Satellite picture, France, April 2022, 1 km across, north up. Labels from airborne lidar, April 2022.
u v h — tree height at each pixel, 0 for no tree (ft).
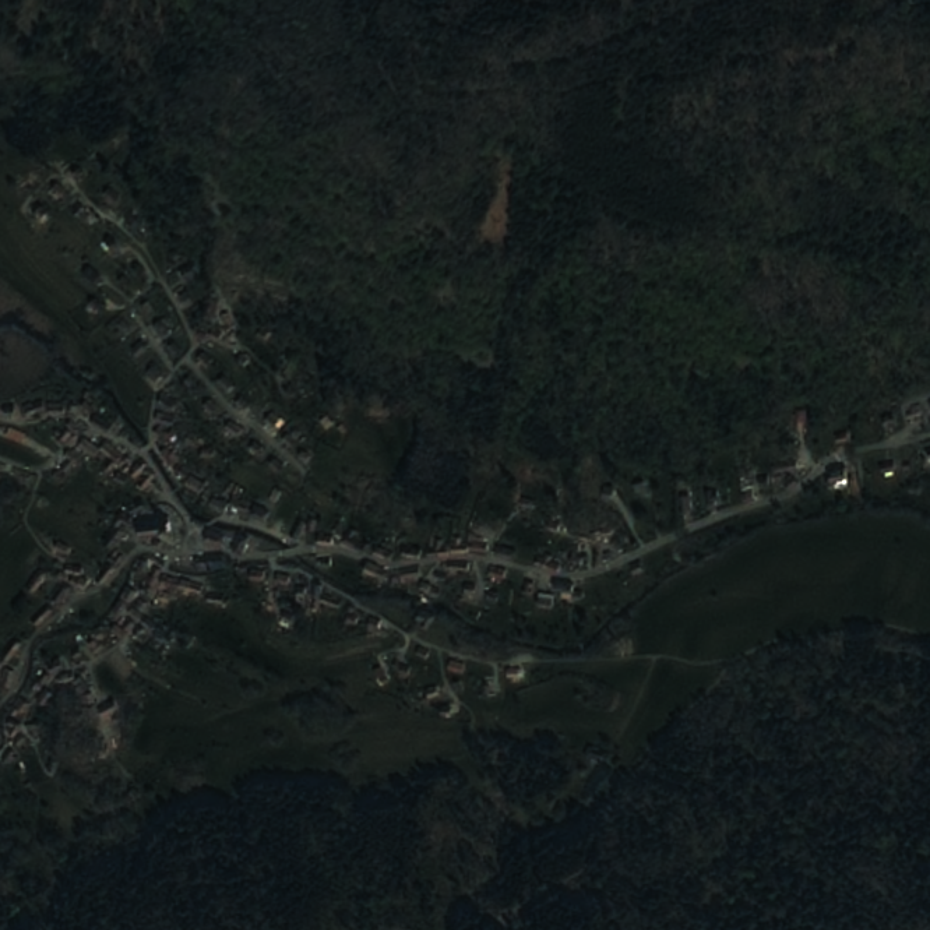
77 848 24
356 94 73
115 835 77
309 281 67
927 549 0
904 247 97
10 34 50
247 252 61
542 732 0
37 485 0
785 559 0
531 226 88
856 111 44
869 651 70
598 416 73
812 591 0
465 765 0
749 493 0
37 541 0
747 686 60
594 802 0
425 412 66
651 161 66
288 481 0
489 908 81
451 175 68
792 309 77
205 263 33
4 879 68
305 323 57
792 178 63
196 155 60
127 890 91
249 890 99
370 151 71
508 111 59
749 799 86
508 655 0
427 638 0
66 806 0
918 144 74
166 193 54
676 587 0
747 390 59
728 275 71
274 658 0
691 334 54
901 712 47
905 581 0
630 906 65
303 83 89
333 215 47
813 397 51
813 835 75
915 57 71
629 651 0
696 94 34
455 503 73
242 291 0
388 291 56
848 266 86
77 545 0
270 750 0
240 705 0
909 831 55
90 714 0
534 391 59
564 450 75
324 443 0
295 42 56
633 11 67
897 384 41
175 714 0
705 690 0
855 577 0
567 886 0
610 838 92
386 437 0
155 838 82
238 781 0
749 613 0
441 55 61
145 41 77
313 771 0
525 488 0
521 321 59
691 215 66
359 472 0
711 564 0
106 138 82
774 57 82
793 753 75
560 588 0
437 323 60
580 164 80
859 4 55
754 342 51
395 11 59
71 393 20
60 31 41
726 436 55
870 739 82
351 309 46
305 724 45
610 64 82
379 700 0
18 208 0
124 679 0
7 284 0
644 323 51
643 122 61
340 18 76
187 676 0
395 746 0
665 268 52
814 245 71
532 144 88
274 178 57
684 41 81
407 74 60
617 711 0
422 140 72
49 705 27
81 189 0
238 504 0
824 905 55
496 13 58
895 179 78
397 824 87
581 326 65
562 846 92
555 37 76
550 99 77
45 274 0
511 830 49
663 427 83
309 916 100
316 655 0
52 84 85
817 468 0
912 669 87
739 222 60
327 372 62
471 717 0
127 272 0
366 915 70
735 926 67
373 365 64
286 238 53
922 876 46
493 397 77
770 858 75
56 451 0
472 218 79
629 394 61
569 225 68
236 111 64
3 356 32
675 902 93
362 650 0
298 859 94
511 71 73
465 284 68
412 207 58
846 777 90
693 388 60
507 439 56
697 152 63
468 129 74
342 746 22
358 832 76
